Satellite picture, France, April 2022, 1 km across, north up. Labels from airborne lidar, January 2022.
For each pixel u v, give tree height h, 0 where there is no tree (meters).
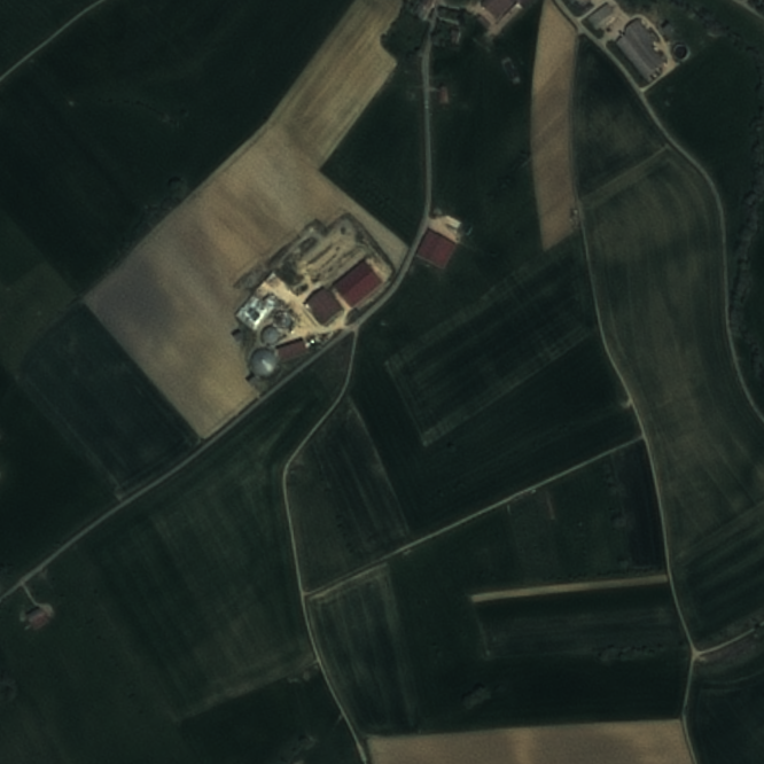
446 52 0
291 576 0
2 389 0
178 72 0
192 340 0
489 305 0
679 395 0
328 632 0
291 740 0
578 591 0
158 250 0
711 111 0
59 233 0
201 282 0
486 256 0
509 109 0
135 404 0
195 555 0
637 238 0
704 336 0
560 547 0
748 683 0
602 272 0
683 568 0
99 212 0
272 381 0
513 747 0
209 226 0
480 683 0
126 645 0
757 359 12
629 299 0
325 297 0
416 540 0
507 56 0
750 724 0
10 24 0
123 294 0
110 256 0
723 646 0
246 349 0
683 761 0
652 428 0
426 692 0
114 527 0
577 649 0
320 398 0
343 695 0
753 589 0
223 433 0
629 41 0
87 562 0
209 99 0
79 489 0
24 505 0
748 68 0
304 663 0
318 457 0
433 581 0
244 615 0
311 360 0
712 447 0
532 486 0
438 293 0
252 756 0
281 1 0
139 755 0
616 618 0
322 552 0
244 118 0
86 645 0
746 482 0
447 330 0
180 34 0
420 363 0
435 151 0
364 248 0
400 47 0
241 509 0
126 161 0
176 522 0
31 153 0
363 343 0
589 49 0
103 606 0
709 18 20
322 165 0
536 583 0
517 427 0
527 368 0
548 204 0
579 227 0
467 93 0
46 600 0
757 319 0
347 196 0
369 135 0
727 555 0
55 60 0
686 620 0
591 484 0
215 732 0
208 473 0
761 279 0
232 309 0
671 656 0
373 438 0
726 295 0
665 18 0
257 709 0
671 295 0
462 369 0
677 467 0
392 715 0
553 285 0
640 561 0
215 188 0
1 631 0
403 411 0
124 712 0
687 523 0
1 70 0
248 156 0
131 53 0
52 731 0
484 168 0
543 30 0
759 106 0
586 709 0
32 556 0
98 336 0
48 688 0
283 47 0
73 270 0
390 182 0
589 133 0
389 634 0
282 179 0
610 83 0
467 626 0
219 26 0
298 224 0
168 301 0
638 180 0
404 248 0
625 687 0
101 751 0
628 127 0
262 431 0
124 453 0
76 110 0
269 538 0
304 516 0
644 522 0
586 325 0
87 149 0
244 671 0
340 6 0
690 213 0
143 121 0
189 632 0
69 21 0
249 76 0
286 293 0
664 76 0
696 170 0
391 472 0
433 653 0
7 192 0
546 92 0
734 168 0
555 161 0
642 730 0
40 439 0
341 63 0
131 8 0
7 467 0
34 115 0
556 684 0
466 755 0
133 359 0
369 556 0
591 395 0
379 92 0
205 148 0
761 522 0
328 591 0
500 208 0
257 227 0
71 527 0
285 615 0
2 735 0
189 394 0
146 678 0
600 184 0
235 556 0
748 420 0
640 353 0
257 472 0
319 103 0
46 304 0
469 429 0
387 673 0
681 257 0
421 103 0
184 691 0
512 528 0
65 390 0
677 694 0
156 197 0
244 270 0
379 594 0
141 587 0
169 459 0
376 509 0
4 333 0
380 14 0
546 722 0
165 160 0
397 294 0
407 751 0
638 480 0
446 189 0
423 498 0
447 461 0
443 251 0
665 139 0
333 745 0
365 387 0
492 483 0
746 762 0
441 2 0
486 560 0
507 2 0
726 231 0
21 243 0
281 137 0
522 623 0
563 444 0
